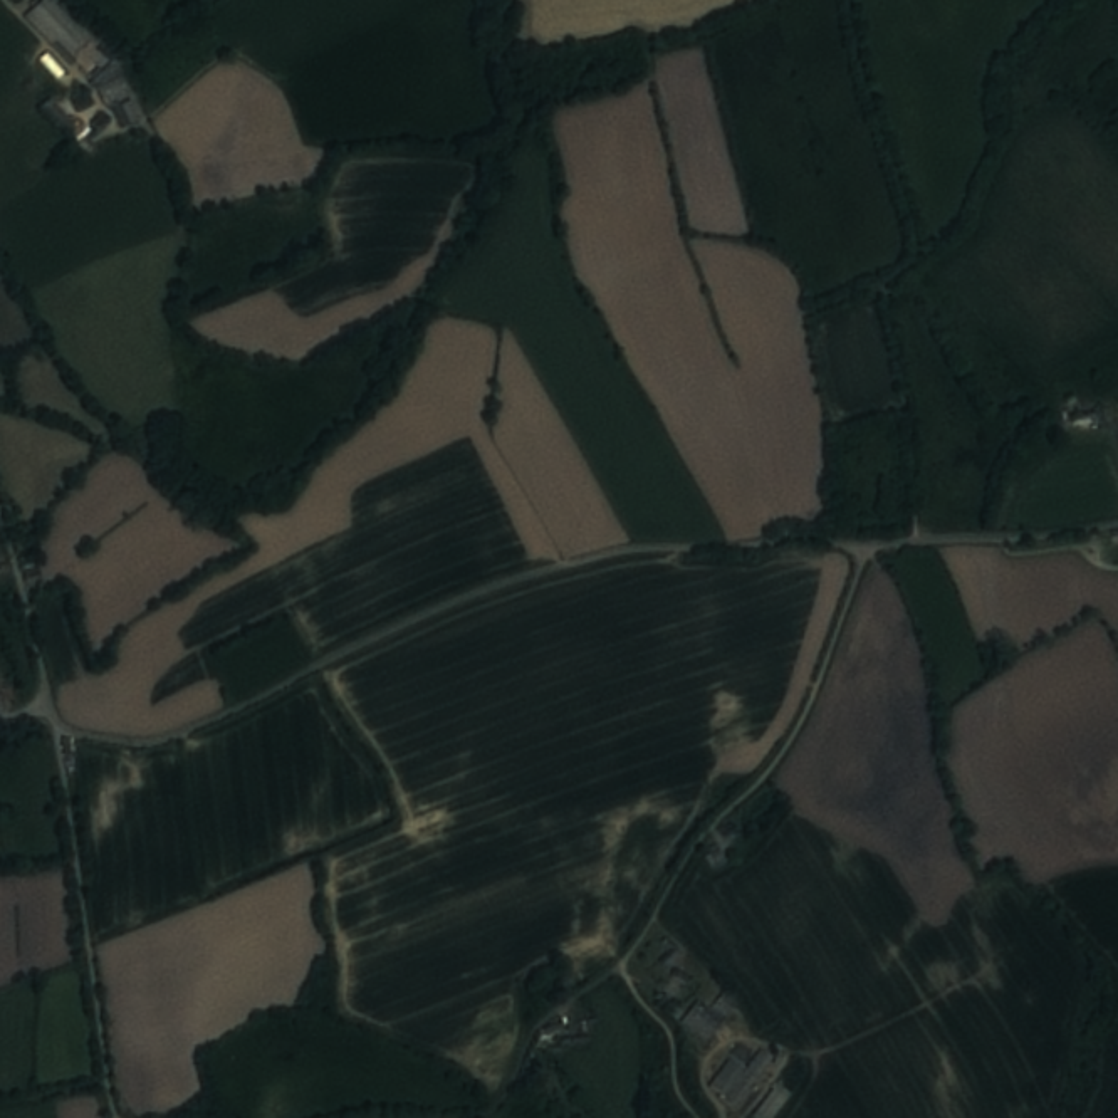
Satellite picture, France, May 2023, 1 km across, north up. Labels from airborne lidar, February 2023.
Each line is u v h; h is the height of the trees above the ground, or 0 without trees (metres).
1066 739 0
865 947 0
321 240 9
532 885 0
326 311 0
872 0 0
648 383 0
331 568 0
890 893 0
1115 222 0
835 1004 0
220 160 0
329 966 9
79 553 12
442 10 0
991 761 0
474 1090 13
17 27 0
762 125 0
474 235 14
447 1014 0
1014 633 0
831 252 0
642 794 0
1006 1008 0
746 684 0
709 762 0
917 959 0
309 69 0
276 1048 0
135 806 0
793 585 0
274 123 0
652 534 0
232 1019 0
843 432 8
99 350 0
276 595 0
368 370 13
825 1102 0
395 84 0
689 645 0
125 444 15
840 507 14
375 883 0
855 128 0
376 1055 0
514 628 0
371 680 0
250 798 0
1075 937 12
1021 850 0
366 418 12
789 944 0
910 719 0
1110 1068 0
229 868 0
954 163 0
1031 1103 0
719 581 0
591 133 0
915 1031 0
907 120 0
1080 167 0
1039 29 14
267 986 0
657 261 0
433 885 0
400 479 0
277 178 0
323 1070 0
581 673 0
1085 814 0
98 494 0
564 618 0
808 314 9
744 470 0
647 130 0
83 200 0
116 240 0
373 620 0
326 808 0
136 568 0
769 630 0
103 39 11
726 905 0
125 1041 0
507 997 0
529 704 0
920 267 13
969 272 0
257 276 17
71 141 9
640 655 0
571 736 0
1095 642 0
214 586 0
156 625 0
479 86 0
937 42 0
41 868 11
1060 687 0
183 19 17
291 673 0
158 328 0
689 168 0
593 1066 0
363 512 0
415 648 0
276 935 0
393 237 0
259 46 0
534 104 8
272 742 0
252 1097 0
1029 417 11
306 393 0
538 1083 14
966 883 0
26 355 17
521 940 0
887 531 10
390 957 0
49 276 0
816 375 13
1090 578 0
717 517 0
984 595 0
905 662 0
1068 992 0
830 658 0
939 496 0
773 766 0
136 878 0
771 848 0
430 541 0
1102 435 0
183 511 26
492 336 0
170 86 0
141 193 0
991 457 0
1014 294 0
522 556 0
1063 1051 0
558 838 0
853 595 0
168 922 0
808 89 0
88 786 0
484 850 0
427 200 0
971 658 0
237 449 0
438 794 0
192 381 0
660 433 0
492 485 0
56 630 0
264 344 0
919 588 0
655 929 0
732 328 0
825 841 0
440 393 0
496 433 0
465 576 0
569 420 0
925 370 0
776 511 0
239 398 0
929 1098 0
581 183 0
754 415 0
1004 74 14
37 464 0
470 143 19
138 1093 0
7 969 0
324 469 0
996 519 12
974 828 11
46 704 0
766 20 0
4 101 0
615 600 0
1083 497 0
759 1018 0
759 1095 0
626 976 0
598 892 0
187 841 0
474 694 0
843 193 0
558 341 0
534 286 0
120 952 0
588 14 0
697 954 0
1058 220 0
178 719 0
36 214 0
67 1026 0
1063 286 0
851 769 0
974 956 0
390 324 20
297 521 0
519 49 19
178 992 0
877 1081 0
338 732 0
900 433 13
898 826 0
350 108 0
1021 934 0
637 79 15
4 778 0
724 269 0
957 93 0
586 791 0
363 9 0
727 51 0
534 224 0
